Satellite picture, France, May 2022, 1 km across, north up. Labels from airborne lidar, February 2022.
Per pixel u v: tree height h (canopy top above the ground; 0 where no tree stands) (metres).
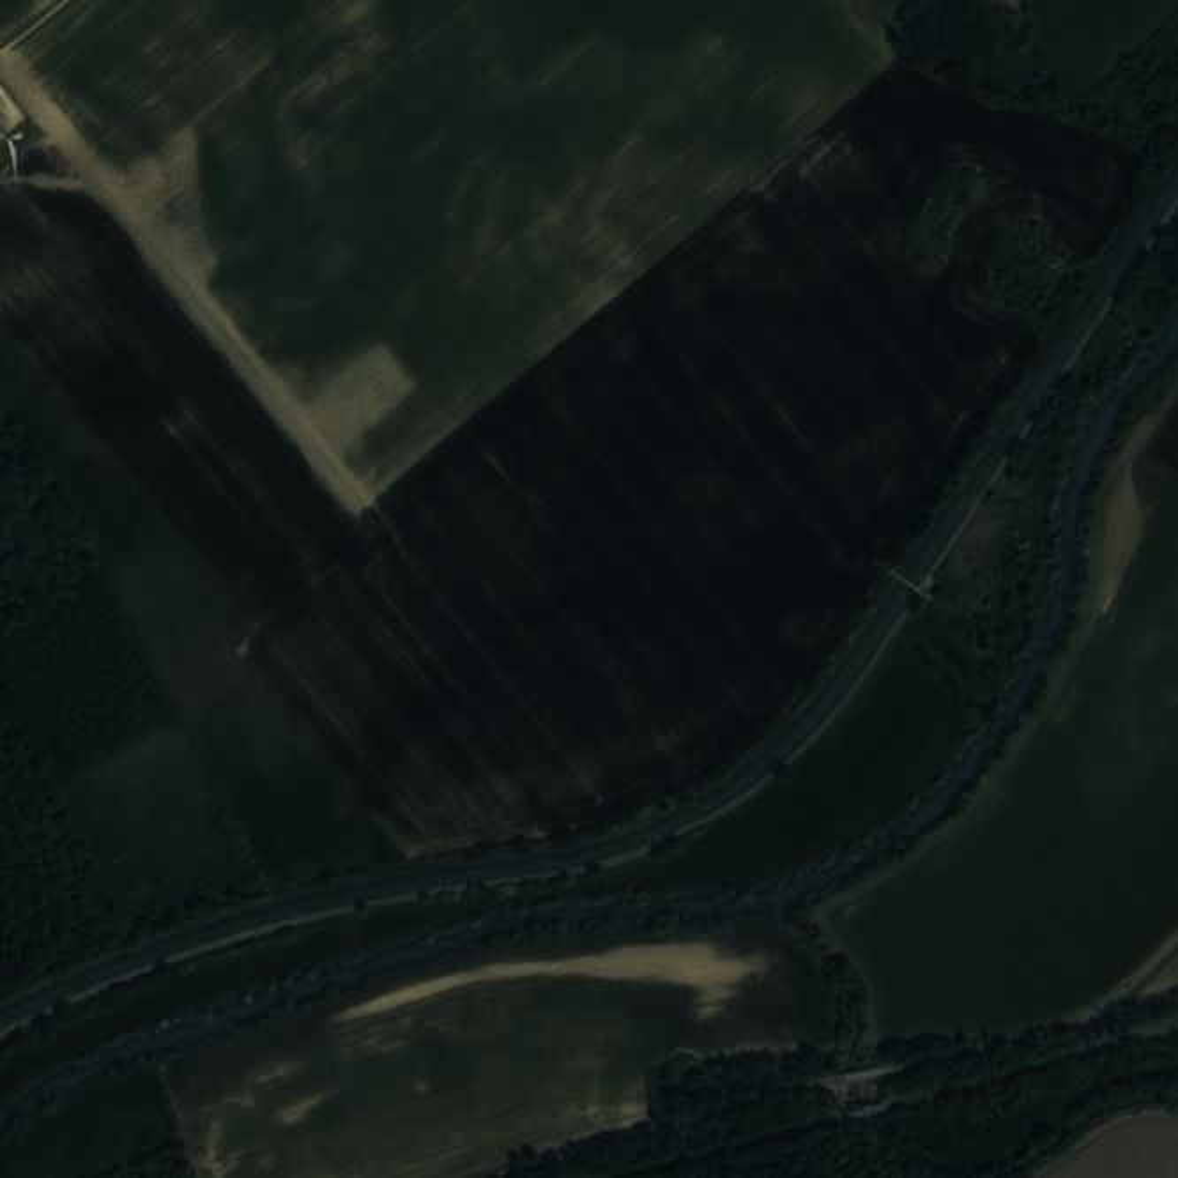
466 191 0
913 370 0
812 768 0
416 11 0
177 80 0
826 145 0
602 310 0
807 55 0
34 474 23
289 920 0
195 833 0
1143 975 0
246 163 0
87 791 0
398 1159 0
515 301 0
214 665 0
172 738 0
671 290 0
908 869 0
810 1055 17
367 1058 0
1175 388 0
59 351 0
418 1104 0
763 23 0
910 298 0
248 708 0
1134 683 0
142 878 0
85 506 0
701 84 0
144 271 0
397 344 0
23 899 23
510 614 0
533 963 0
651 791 0
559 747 0
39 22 0
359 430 0
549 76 0
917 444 0
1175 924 0
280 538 0
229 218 0
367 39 0
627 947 0
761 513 0
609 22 0
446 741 0
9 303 0
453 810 0
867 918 0
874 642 0
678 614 0
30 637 14
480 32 0
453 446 0
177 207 0
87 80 0
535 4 0
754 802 0
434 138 0
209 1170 0
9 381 0
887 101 0
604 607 0
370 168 0
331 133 0
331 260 0
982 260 0
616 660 0
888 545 0
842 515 0
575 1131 0
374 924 0
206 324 0
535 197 0
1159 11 0
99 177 0
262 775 0
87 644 10
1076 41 0
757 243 0
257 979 0
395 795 0
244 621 0
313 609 0
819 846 0
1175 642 0
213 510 0
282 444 0
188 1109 0
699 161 0
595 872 14
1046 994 0
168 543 0
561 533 0
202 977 0
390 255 0
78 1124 0
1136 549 0
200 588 0
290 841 0
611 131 0
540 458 0
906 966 0
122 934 13
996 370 0
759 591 0
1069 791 0
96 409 0
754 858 0
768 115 0
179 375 0
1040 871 0
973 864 0
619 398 0
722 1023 0
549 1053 0
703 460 0
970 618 0
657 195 0
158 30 0
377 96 0
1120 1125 0
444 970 0
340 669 0
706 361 0
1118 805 0
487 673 0
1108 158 0
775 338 0
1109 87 5
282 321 0
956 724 0
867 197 0
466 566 0
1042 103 10
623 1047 0
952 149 0
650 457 0
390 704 0
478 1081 0
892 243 0
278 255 0
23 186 0
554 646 0
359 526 0
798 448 0
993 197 0
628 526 0
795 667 0
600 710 0
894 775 0
